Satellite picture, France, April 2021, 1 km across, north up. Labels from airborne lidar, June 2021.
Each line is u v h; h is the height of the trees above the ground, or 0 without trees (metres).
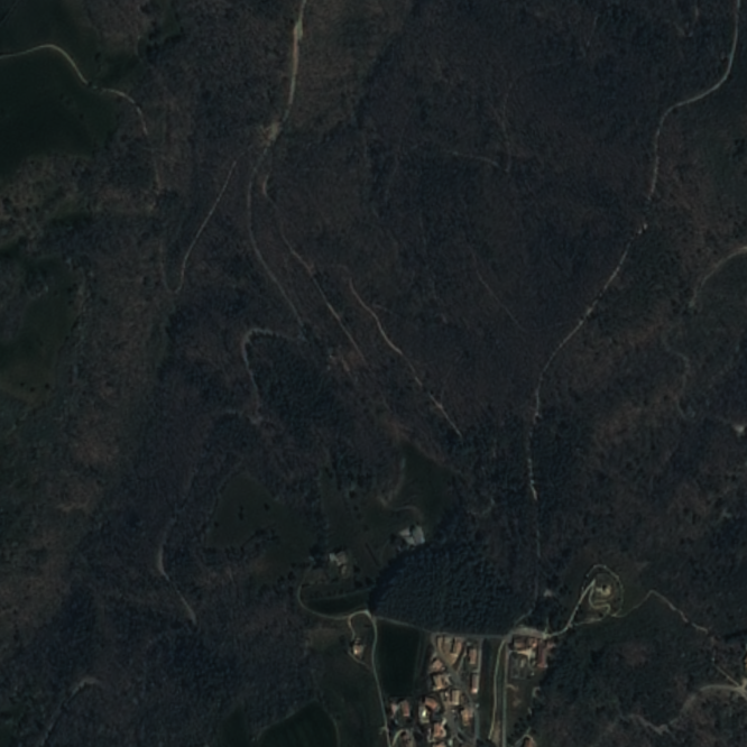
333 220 17
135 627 14
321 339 10
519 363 16
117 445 12
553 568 9
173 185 12
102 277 15
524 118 12
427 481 0
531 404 13
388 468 12
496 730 0
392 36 17
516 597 12
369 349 14
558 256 13
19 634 10
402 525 0
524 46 14
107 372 14
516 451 11
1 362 0
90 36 0
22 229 14
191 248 10
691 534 7
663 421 12
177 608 21
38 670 13
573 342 8
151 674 12
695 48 13
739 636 13
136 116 6
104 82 0
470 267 8
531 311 15
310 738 0
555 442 8
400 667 0
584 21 12
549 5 18
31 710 9
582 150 12
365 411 17
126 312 15
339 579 6
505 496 8
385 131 17
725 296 21
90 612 11
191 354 17
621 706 13
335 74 11
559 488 13
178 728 11
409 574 22
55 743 7
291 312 16
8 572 12
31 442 9
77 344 6
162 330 19
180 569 10
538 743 0
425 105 8
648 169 9
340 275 11
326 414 13
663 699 7
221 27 7
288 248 13
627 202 12
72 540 13
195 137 17
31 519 8
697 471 13
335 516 0
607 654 12
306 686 6
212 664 8
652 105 9
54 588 10
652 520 11
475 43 11
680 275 8
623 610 0
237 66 11
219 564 7
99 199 19
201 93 18
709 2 11
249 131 11
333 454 10
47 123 0
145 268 7
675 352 15
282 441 15
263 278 17
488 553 6
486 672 0
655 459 9
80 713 10
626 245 9
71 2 0
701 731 8
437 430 14
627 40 9
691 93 10
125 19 14
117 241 13
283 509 0
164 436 12
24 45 0
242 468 10
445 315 18
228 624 13
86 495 12
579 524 9
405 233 19
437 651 0
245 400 14
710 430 10
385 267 13
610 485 20
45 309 0
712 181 10
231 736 0
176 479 9
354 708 0
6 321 8
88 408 12
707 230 10
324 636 0
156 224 13
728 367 25
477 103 7
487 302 10
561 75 10
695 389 20
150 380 12
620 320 13
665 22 12
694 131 10
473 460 12
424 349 16
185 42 15
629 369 21
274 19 15
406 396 14
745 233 11
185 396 10
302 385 10
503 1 18
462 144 15
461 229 8
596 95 14
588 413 13
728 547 14
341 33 10
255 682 16
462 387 12
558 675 16
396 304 7
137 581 14
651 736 10
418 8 23
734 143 7
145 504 11
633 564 0
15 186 7
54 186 12
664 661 14
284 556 0
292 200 15
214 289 16
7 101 0
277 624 11
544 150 12
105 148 7
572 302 11
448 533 13
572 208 14
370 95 18
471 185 14
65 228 20
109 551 10
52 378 0
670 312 11
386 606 19
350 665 0
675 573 7
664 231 11
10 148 0
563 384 13
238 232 12
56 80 0
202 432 12
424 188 8
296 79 8
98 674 12
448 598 18
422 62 23
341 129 19
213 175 12
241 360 9
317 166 18
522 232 22
